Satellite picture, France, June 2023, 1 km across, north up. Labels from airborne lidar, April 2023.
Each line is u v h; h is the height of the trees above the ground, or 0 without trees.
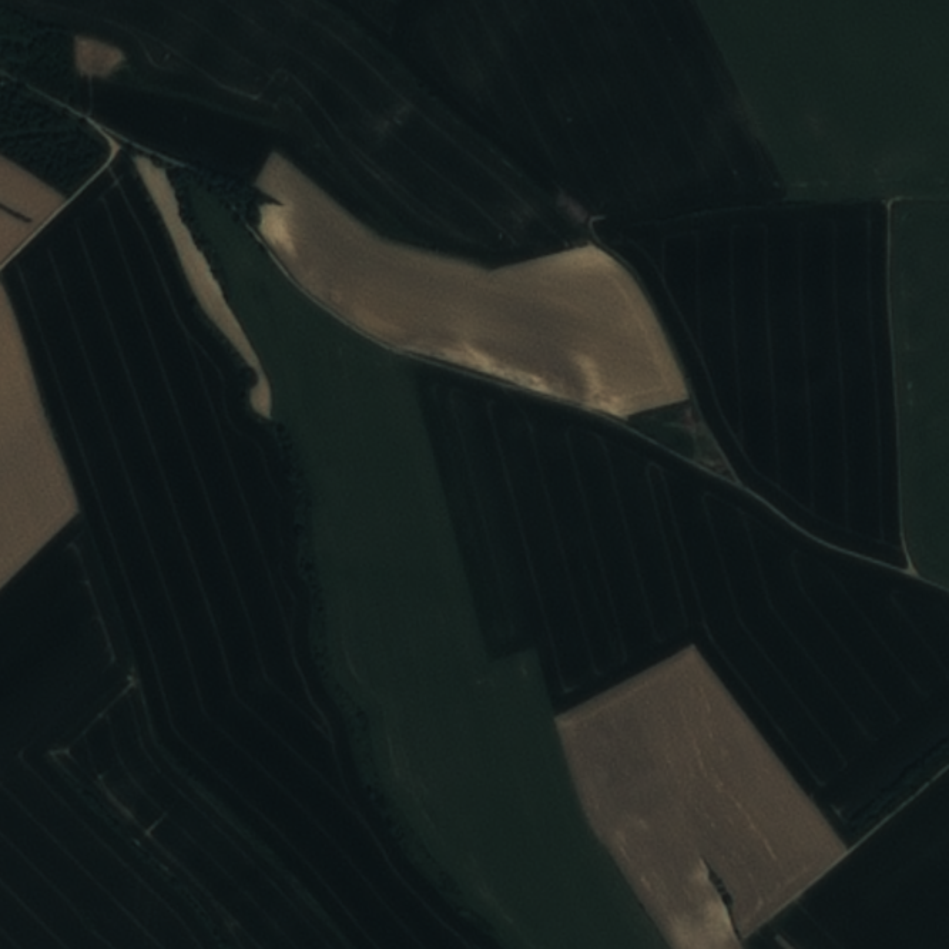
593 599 0
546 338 0
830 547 0
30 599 0
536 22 0
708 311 0
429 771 0
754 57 0
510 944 0
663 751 0
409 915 0
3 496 0
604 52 0
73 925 0
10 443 0
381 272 0
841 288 0
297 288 0
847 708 0
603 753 0
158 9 0
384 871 0
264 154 0
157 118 0
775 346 0
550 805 0
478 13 0
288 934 0
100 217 0
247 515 0
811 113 0
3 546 0
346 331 0
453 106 0
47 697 0
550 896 0
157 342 0
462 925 0
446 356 0
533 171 0
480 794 0
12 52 17
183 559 0
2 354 0
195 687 0
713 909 0
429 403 0
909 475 0
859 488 0
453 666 0
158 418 0
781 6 0
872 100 0
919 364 0
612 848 0
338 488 0
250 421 0
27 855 0
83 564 0
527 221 0
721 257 0
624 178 0
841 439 0
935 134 0
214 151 0
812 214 0
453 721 0
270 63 0
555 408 0
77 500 0
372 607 0
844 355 0
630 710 0
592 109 0
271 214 0
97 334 0
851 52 0
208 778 0
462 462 0
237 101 0
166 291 0
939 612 0
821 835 0
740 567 0
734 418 0
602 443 0
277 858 0
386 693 0
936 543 0
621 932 0
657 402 0
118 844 0
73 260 0
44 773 0
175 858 0
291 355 0
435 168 0
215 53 0
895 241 0
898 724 0
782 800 0
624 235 0
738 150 0
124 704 0
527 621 0
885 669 0
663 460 0
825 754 0
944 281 0
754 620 0
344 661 0
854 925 0
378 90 0
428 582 0
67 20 0
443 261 0
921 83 0
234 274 0
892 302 0
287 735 0
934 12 0
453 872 0
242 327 0
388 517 0
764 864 0
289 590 0
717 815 0
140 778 0
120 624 0
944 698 0
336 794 0
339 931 0
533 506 0
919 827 0
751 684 0
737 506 0
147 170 0
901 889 0
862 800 0
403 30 0
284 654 0
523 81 0
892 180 0
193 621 0
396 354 0
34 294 0
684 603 0
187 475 0
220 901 0
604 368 0
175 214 0
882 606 0
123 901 0
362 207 0
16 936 0
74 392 0
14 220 0
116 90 0
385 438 0
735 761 0
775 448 0
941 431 0
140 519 0
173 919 0
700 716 0
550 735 0
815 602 0
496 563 0
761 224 0
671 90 0
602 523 0
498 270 0
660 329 0
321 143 0
